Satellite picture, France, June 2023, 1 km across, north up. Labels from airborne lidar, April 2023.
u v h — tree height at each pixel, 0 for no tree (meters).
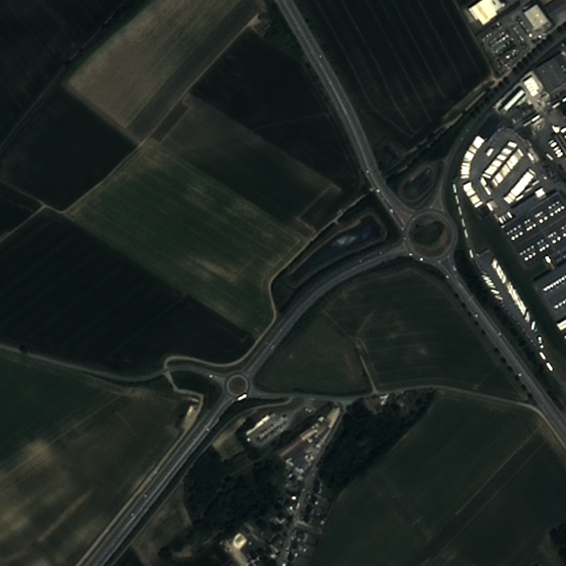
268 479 9
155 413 0
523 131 0
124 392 0
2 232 0
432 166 0
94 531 0
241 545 0
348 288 0
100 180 0
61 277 0
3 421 0
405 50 0
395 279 0
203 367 0
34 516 0
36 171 0
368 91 0
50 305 0
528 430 0
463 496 0
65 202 0
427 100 0
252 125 0
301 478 0
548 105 0
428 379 0
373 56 0
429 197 0
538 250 0
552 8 0
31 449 0
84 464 0
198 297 0
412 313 0
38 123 0
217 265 0
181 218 0
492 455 0
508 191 0
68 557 0
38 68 0
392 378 0
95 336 0
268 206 0
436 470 0
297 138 0
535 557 0
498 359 0
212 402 0
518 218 0
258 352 0
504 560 0
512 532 0
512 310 0
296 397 0
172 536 0
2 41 0
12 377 0
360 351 0
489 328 0
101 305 0
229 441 0
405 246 0
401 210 0
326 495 0
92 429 0
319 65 0
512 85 0
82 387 0
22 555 0
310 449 0
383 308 0
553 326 0
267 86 0
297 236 0
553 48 0
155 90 0
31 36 0
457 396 0
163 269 0
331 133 0
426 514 0
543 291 0
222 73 0
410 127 0
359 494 0
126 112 0
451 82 0
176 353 0
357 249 0
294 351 0
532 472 0
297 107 0
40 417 0
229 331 0
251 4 0
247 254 0
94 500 0
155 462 0
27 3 0
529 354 8
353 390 0
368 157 0
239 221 0
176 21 0
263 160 0
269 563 10
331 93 0
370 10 0
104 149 0
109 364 0
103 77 0
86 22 0
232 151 0
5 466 0
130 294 0
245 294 0
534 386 0
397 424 0
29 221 0
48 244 0
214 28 0
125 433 0
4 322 0
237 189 0
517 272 0
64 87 0
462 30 0
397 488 0
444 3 0
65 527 0
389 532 0
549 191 0
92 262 0
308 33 0
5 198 0
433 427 0
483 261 0
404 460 0
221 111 0
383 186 0
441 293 0
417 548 0
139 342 0
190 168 0
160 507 0
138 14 0
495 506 0
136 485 0
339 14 0
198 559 0
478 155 0
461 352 0
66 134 0
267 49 0
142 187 0
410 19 0
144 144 0
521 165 0
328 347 0
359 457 7
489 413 0
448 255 0
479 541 0
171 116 0
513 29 0
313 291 0
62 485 0
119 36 0
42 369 0
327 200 0
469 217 0
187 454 0
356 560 0
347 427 10
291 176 0
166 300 0
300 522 0
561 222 0
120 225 0
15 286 0
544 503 0
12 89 0
